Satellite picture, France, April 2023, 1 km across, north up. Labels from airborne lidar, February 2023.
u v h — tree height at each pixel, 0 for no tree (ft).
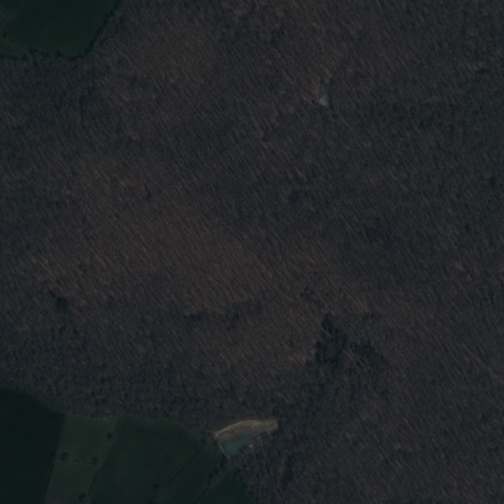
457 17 82
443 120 80
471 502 79
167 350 78
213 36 86
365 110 79
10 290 75
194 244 70
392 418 94
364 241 98
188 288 85
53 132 90
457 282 79
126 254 83
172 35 81
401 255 97
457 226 91
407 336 77
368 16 82
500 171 72
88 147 83
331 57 90
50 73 71
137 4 87
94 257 71
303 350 88
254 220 92
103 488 0
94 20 0
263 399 78
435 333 90
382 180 86
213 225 87
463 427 38
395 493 77
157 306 73
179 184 88
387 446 79
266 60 92
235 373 71
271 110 91
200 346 83
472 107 79
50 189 67
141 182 79
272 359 82
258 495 69
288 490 72
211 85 83
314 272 73
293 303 71
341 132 91
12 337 79
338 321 60
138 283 73
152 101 71
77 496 0
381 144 80
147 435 0
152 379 78
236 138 89
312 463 90
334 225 93
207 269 73
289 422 58
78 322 73
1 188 80
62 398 70
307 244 83
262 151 94
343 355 74
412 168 77
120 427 0
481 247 68
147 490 0
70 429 0
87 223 88
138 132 79
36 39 0
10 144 69
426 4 85
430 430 81
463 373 85
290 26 68
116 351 84
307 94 89
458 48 56
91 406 78
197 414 69
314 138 91
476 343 97
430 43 77
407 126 79
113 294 53
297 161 93
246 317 63
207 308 73
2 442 0
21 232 62
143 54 95
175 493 0
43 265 75
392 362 73
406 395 79
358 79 76
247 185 94
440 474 78
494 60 58
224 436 0
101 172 81
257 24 66
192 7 72
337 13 94
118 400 77
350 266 94
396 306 87
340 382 82
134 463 0
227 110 95
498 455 79
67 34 0
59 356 57
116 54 90
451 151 77
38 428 0
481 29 85
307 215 97
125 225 81
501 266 78
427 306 84
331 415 71
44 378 79
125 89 75
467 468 69
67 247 74
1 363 72
